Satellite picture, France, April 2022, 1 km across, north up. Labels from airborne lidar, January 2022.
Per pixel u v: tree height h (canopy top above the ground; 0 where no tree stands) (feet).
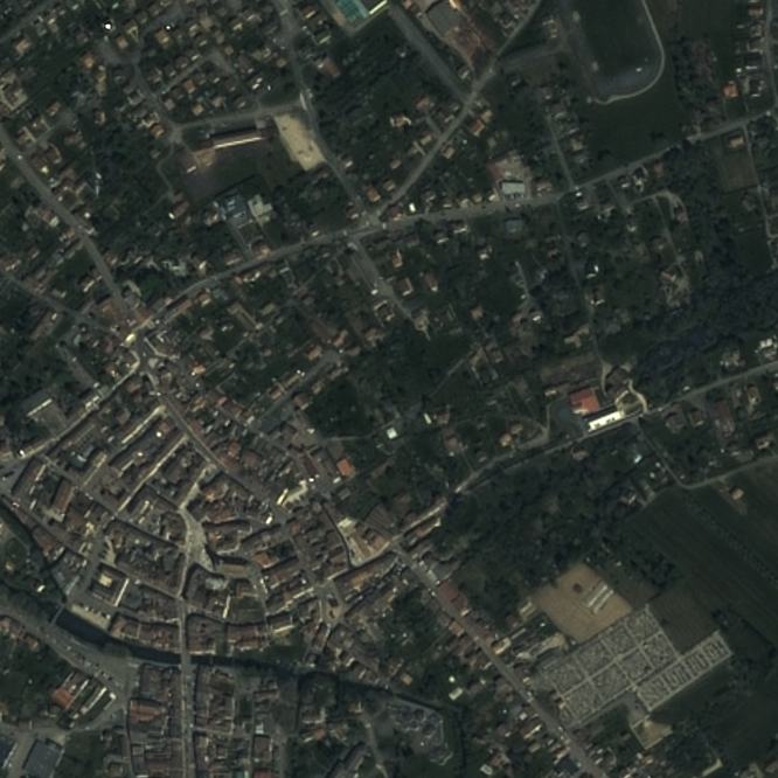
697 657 0
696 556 0
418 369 0
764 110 0
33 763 0
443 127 0
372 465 28
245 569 0
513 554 19
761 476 0
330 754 37
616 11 0
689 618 0
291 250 0
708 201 0
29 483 0
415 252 0
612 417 0
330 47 0
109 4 0
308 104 0
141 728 0
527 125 0
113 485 23
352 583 0
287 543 31
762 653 0
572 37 0
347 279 22
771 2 0
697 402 0
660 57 0
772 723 0
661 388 54
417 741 0
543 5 0
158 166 0
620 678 0
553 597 0
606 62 0
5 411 48
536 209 0
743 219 0
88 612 0
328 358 0
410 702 0
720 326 77
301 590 0
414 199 0
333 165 0
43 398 0
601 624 0
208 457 0
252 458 0
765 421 25
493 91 0
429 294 0
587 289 34
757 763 0
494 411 0
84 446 22
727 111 57
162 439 0
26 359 54
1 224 0
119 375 0
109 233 20
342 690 50
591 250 40
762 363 0
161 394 0
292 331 19
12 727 0
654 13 0
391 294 0
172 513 0
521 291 0
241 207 0
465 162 0
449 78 0
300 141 0
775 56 0
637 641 0
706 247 50
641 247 0
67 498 0
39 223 0
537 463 52
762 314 77
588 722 0
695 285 0
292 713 66
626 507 36
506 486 76
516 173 0
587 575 0
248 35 0
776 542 0
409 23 0
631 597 0
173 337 0
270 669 20
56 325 0
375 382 19
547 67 0
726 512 0
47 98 0
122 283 28
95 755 0
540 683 0
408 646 0
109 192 60
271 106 0
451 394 0
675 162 36
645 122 0
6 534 0
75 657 0
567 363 0
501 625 0
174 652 0
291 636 0
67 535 0
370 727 0
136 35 0
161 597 0
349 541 0
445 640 0
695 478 33
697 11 0
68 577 0
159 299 0
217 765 0
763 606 0
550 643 0
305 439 0
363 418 0
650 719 0
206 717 0
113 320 0
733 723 0
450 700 0
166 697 0
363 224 0
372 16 0
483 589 0
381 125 32
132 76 0
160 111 0
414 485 23
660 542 0
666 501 0
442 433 20
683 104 36
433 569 0
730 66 0
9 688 0
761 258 0
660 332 105
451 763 0
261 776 0
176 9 0
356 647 0
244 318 0
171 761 0
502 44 0
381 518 0
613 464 0
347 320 0
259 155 0
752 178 0
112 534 0
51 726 0
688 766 22
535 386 41
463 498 49
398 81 28
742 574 0
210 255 52
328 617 0
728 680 0
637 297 0
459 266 19
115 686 0
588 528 46
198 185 0
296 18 0
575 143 0
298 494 0
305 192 22
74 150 0
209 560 0
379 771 0
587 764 0
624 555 0
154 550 0
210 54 0
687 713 0
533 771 0
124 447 0
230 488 0
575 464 0
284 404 0
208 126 0
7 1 31
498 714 0
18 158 0
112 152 73
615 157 36
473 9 0
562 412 0
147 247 26
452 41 0
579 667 0
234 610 0
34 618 65
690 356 55
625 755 37
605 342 32
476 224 0
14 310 0
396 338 34
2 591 78
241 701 0
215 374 0
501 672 0
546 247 28
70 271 0
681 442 0
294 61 0
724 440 0
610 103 0
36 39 0
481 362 0
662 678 0
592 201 0
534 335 0
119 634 0
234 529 0
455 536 31
